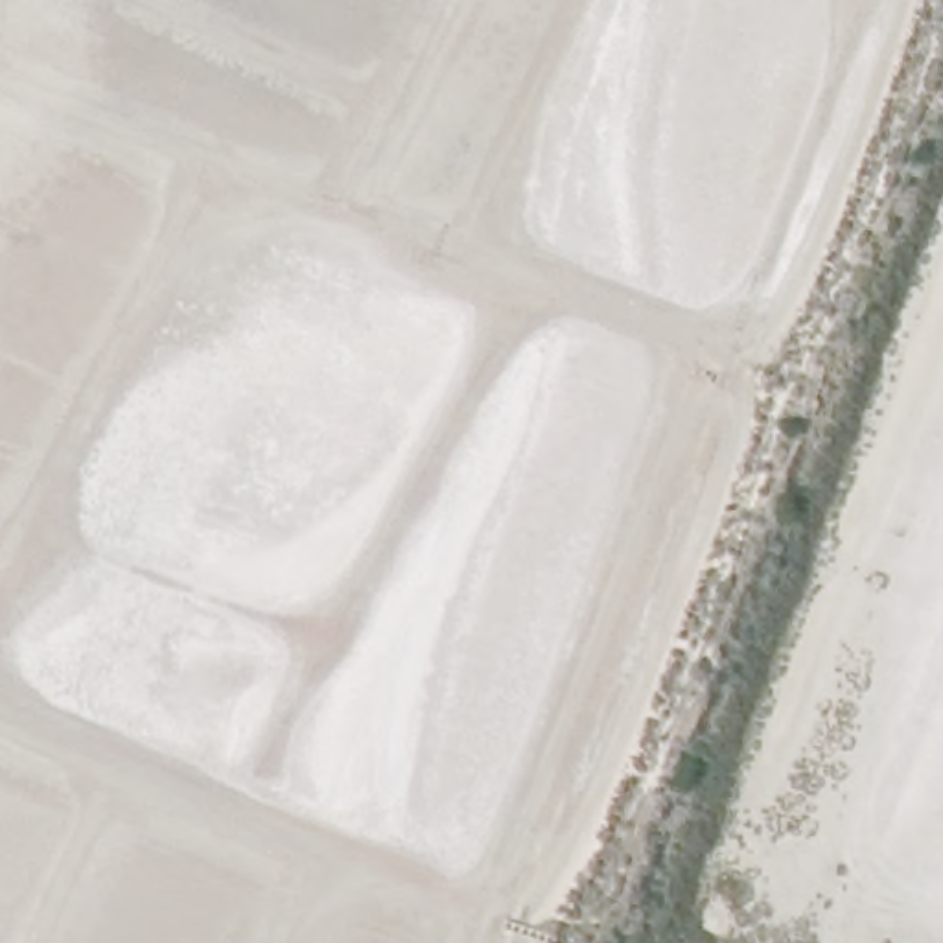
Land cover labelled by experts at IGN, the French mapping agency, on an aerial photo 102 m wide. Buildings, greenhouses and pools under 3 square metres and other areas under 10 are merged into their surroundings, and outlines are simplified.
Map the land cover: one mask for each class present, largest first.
<instances>
[{"label":"pervious surface","instance_id":"1","mask_svg":"<svg viewBox=\"0 0 943 943\"><path fill-rule=\"evenodd\" d=\"M921 11V0H0V943H553L560 906L575 891L578 877L589 869L593 855L600 851V832L608 825L611 799L634 766L656 689L678 648L681 623L696 597L700 575L707 571V553L726 516L729 490L744 472L740 464L755 431V402H763L766 390V365L781 350L785 335L792 332V320L803 313L814 291L818 269L855 192V177L866 158L869 136L877 133L880 111L888 103V88L902 63V48ZM840 549L829 564L814 567L807 600L799 604L788 626V648H781L774 663L770 696L759 704L751 718L744 748L748 763L740 770L729 825L722 832V844L715 847V855L729 862V869L774 906V925L807 917L818 925V943H943V203L936 214V236L917 269V284L910 287L891 346L884 350L877 394L862 420L855 449V483L836 516Z\"/></svg>","mask_w":943,"mask_h":943},{"label":"herbaceous vegetation","instance_id":"2","mask_svg":"<svg viewBox=\"0 0 943 943\"><path fill-rule=\"evenodd\" d=\"M943 203V0H921V11L902 48V63L888 88V103L880 111L877 133L869 136L866 158L855 177V192L818 269L814 291L803 313L792 320V332L785 335L781 350L766 365V390L763 402H755V431L740 464L744 472L729 490L726 516L707 553V571L700 575L696 597L681 623L678 648L656 689L634 766L611 799L608 825L600 832V851L593 855L589 869L578 877L575 891L560 906L553 943H818V925L807 917L774 925V906L729 869V862L715 855V847L722 844V832L729 825L740 770L748 763L744 748L751 718L759 704L770 696L774 663L781 648H788V626L799 604L807 600L814 567L829 564L840 549L836 516L855 483V449L862 420L877 394L884 350L891 346L910 287L917 284V269L936 236V214Z\"/></svg>","mask_w":943,"mask_h":943}]
</instances>
